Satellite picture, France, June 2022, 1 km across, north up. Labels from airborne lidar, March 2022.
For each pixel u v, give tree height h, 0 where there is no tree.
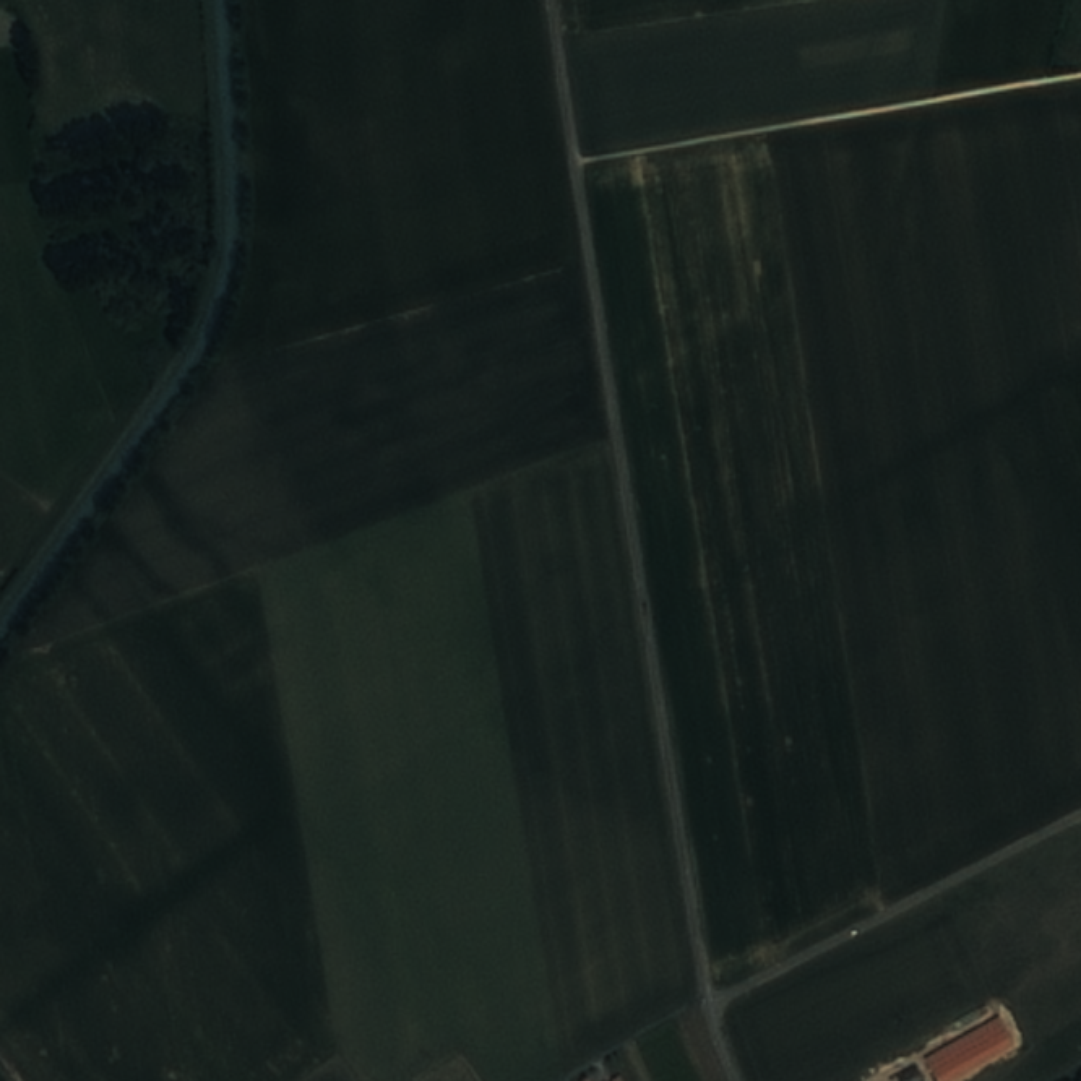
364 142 0
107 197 31
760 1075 0
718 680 0
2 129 0
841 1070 0
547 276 0
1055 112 0
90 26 0
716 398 0
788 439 0
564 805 0
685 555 0
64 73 0
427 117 0
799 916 0
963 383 0
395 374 0
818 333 0
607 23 0
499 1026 0
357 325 0
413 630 0
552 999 0
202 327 0
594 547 0
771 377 0
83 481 0
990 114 0
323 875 0
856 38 0
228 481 0
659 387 0
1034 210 0
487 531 0
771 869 0
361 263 0
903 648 0
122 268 26
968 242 0
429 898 0
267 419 0
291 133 0
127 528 0
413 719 0
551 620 0
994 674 0
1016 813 0
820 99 0
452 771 0
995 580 0
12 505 0
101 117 0
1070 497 0
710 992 0
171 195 24
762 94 0
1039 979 0
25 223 0
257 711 0
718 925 0
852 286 0
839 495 0
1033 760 0
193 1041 0
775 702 0
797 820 0
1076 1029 0
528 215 0
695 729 0
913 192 0
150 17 0
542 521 0
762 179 0
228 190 0
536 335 0
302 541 0
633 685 0
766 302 0
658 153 0
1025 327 0
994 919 0
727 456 0
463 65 0
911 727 0
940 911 0
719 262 0
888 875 0
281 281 0
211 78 0
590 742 0
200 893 0
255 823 0
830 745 0
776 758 0
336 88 0
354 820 0
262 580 0
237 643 0
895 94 0
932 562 0
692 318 0
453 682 0
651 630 0
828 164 0
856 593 0
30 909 0
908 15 0
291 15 0
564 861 0
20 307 0
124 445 0
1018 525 0
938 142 0
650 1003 0
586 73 0
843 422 0
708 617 0
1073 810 0
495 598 0
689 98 0
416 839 0
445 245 0
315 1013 0
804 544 0
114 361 0
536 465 0
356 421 0
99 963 0
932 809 0
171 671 0
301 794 0
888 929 0
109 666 0
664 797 0
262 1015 0
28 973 0
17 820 0
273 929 0
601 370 0
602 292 0
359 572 0
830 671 0
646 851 0
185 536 0
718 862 0
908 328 0
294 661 0
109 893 0
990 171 0
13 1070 0
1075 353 0
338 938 0
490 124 0
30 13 0
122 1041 0
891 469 0
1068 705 0
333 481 0
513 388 0
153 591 0
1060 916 0
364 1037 0
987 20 0
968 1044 0
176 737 0
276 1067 0
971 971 0
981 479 0
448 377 0
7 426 0
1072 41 0
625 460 0
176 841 0
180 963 0
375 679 0
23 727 0
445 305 0
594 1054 0
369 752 0
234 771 0
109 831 0
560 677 0
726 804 0
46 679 0
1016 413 0
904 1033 0
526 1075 0
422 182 0
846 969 0
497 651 0
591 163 0
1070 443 0
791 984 0
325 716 0
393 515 0
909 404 0
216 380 0
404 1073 0
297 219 0
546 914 0
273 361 0
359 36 0
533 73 0
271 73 0
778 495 0
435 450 0
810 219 0
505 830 0
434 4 0
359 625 0
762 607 0
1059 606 0
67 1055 0
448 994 0
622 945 0
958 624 0
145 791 0
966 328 0
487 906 0
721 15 0
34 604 15
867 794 0
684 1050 0
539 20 0
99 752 0
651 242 0
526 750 0
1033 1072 0
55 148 22
